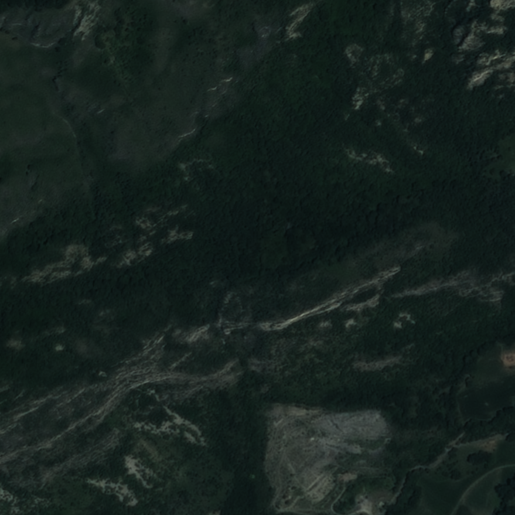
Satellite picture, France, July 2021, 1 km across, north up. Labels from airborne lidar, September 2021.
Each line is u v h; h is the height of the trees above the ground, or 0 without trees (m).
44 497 5
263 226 16
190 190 21
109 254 6
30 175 9
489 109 11
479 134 16
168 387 9
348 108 11
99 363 9
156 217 9
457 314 10
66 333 9
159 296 8
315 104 15
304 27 9
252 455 8
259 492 7
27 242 9
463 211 17
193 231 12
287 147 13
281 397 8
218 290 8
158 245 10
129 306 10
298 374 8
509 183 9
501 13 9
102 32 10
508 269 9
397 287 11
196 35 11
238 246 11
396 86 7
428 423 8
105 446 8
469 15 16
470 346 8
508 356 0
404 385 7
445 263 10
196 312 11
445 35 14
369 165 10
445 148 13
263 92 10
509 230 14
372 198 11
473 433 9
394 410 8
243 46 9
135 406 11
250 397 7
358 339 8
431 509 0
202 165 9
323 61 10
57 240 12
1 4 19
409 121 9
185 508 7
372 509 0
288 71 10
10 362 10
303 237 22
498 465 0
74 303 17
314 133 6
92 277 15
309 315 7
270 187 19
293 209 12
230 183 17
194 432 7
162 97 0
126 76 10
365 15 12
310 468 0
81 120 9
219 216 15
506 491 23
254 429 9
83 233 18
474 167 24
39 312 8
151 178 11
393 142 11
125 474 9
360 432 0
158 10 0
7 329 18
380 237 9
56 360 7
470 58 16
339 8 9
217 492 7
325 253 16
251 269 16
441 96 16
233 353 8
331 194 14
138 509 12
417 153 9
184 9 0
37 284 9
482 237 15
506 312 8
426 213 9
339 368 9
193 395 8
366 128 6
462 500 0
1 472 8
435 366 11
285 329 7
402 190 10
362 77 9
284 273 10
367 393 12
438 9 9
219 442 9
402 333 14
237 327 17
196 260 14
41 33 6
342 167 16
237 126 5
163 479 8
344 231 14
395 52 16
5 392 6
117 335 7
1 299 10
